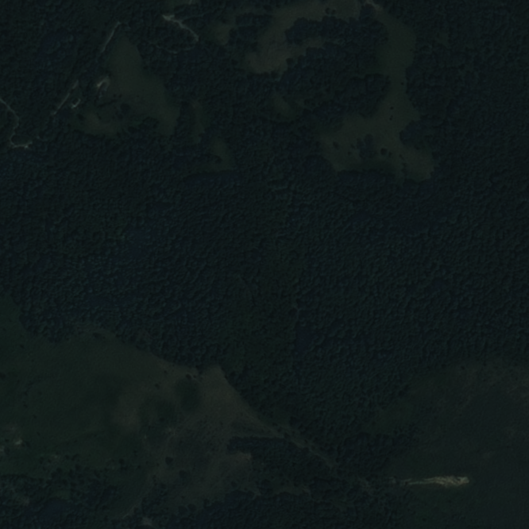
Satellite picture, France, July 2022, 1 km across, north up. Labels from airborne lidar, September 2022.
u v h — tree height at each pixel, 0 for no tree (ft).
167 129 0
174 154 30
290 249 98
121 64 0
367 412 46
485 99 82
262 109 18
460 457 0
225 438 0
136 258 96
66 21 111
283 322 107
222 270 101
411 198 74
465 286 84
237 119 100
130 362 0
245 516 69
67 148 96
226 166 0
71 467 0
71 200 85
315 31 78
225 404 0
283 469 43
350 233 99
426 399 0
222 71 122
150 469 0
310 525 83
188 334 101
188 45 28
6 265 84
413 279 85
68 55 136
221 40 0
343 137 0
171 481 0
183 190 88
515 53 30
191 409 0
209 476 0
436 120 101
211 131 53
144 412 0
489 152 71
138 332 88
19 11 90
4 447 0
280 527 48
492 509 0
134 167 78
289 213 74
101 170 83
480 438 0
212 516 55
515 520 0
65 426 0
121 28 30
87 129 0
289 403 76
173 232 108
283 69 0
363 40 91
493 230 94
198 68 102
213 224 116
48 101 66
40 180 99
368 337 119
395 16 26
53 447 0
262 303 105
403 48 0
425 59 81
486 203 79
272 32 0
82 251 97
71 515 36
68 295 98
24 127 60
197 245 124
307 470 50
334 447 44
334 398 67
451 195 52
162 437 0
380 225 119
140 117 0
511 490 0
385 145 0
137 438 0
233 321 44
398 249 96
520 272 89
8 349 0
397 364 70
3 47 35
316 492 78
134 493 0
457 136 86
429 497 0
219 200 117
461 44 48
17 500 27
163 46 39
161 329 119
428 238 92
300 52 0
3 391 0
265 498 38
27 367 0
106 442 0
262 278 89
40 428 0
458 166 84
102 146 97
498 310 26
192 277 115
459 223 97
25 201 103
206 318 94
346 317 100
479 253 87
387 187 102
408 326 82
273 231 113
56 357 0
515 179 83
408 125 0
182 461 0
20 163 104
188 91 111
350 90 98
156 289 121
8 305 0
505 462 0
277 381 98
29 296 94
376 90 73
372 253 73
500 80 68
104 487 31
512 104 64
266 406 67
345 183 84
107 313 115
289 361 100
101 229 75
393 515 47
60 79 98
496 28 68
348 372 60
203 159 95
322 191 108
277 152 107
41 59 148
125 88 0
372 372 76
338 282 75
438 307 95
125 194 68
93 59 34
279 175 82
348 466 62
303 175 108
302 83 100
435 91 102
